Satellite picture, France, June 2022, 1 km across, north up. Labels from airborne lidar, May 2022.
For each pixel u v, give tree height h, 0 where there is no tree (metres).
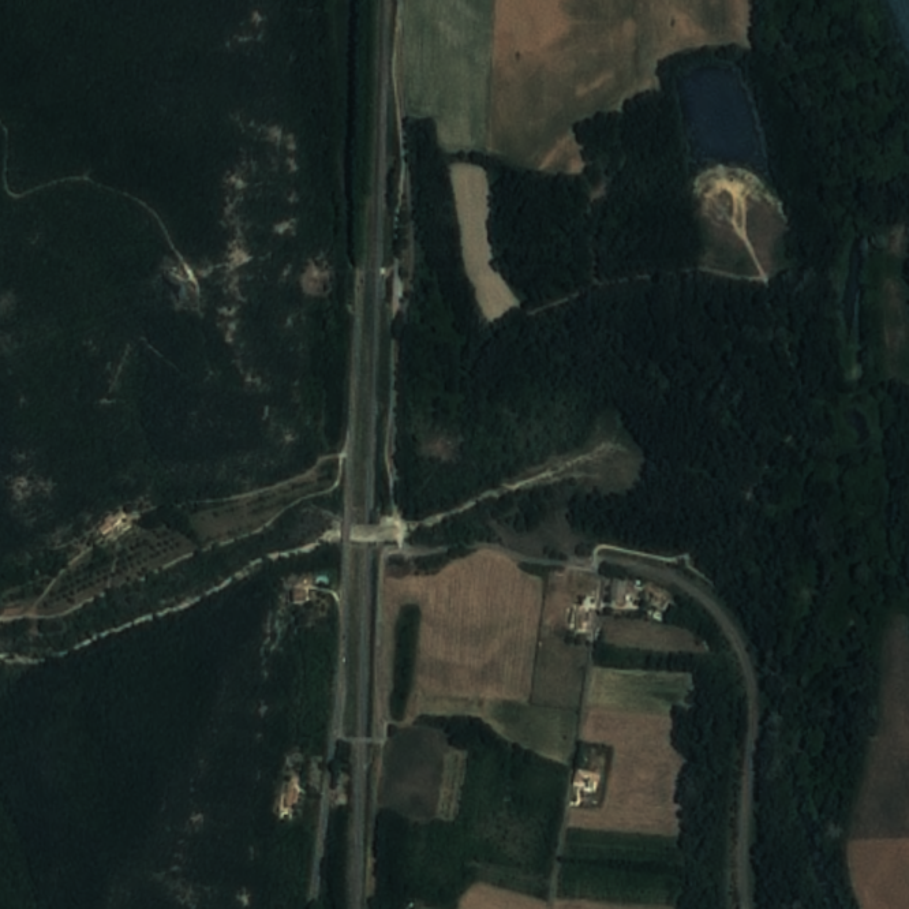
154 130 10
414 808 0
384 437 0
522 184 13
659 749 0
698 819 25
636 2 0
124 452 6
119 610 9
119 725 7
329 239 7
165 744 7
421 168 15
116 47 7
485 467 7
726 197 0
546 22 0
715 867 7
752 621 23
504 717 0
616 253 10
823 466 18
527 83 0
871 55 14
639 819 0
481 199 0
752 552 29
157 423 6
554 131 0
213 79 5
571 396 6
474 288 11
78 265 6
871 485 12
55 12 8
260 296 10
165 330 8
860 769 12
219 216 7
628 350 24
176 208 7
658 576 0
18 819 8
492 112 0
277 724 13
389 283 9
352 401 0
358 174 31
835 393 12
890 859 0
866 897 0
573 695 0
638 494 22
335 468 6
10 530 7
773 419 15
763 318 20
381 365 0
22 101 6
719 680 13
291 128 7
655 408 27
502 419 10
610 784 0
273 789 8
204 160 8
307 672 5
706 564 16
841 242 14
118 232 8
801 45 22
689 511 25
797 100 32
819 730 19
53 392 6
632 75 0
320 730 7
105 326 6
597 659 7
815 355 24
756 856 22
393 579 0
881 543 8
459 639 0
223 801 6
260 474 7
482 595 0
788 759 16
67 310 7
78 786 9
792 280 21
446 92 0
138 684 8
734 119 0
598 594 0
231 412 6
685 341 32
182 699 7
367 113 27
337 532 0
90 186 6
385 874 11
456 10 0
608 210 14
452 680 0
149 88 7
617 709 0
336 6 0
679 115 13
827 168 16
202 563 8
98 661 11
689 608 10
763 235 0
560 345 26
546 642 0
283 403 7
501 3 0
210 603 9
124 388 8
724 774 19
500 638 0
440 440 0
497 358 24
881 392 11
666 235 16
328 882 11
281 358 8
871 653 10
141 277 7
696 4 0
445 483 6
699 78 0
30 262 5
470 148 0
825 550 24
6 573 11
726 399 21
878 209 28
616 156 8
